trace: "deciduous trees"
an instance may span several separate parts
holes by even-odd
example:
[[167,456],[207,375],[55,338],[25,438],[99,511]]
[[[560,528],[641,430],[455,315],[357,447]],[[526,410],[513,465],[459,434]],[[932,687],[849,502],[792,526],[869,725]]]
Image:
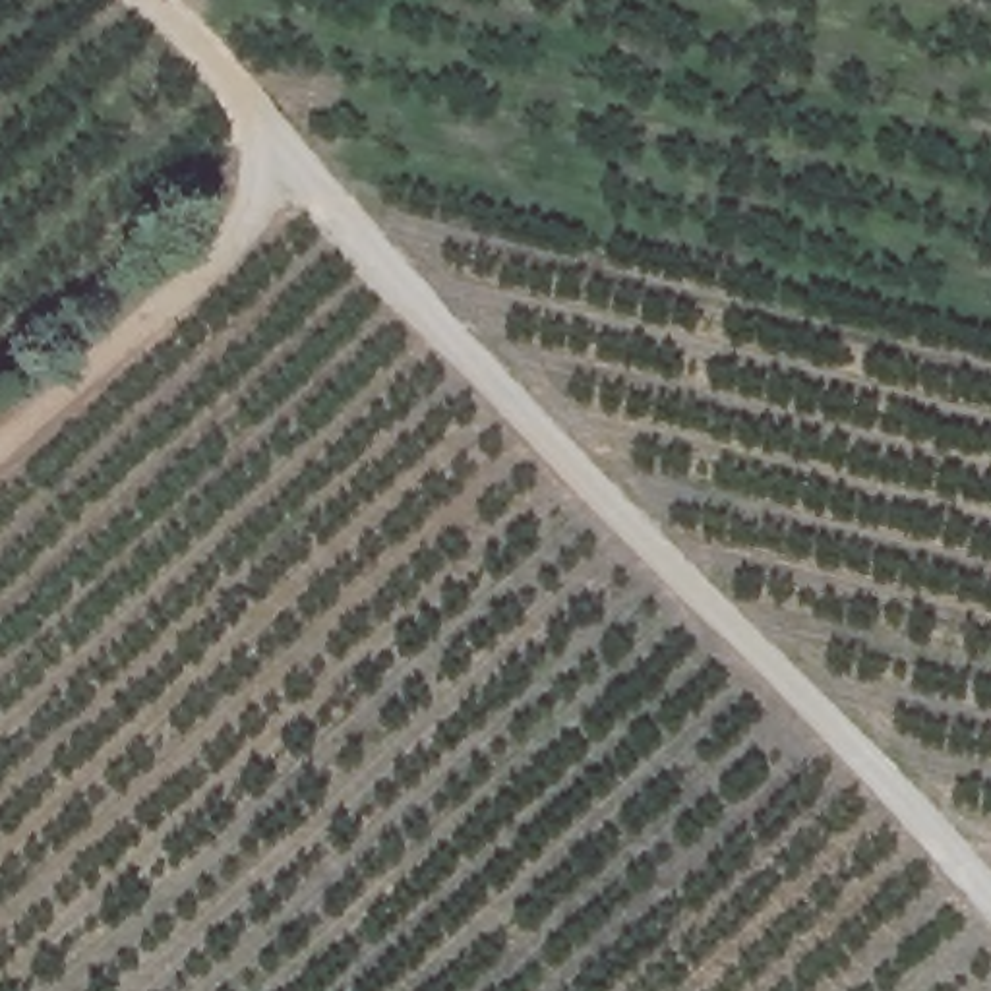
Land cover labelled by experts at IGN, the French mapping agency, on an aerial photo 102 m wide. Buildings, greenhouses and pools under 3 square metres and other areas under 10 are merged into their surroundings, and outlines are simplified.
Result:
[[120,321],[124,310],[143,302],[155,286],[197,267],[221,232],[228,209],[228,116],[217,105],[213,89],[197,77],[197,70],[139,15],[143,0],[0,0],[0,422],[12,406],[27,403],[43,387],[74,383],[85,368],[89,345],[97,345]]
[[732,964],[708,991],[991,991],[991,925],[983,921],[983,914],[968,906],[968,894],[948,875],[941,875],[929,863],[921,844],[898,828],[890,809],[879,797],[867,797],[859,821],[875,836],[856,844],[848,867],[825,875],[809,898],[778,914],[766,925],[766,933],[739,952],[739,964]]
[[480,933],[468,948],[461,948],[414,991],[461,991],[499,960],[507,945],[499,929],[492,929]]
[[337,174],[348,186],[360,209],[379,225],[391,248],[399,248],[406,263],[430,283],[441,306],[461,325],[468,325],[468,333],[623,492],[623,499],[635,503],[646,519],[654,519],[666,530],[666,538],[720,592],[728,592],[739,604],[739,612],[766,635],[766,643],[774,643],[859,728],[859,736],[871,739],[898,766],[898,774],[914,790],[925,778],[941,778],[952,786],[952,809],[991,813],[991,0],[194,0],[205,12],[205,23],[255,74],[341,74],[341,101],[314,108],[306,135],[310,151],[329,166],[329,174]]
[[766,871],[805,828],[813,828],[832,809],[840,790],[859,782],[840,759],[832,759],[813,724],[794,705],[786,705],[689,604],[658,596],[662,585],[639,561],[639,554],[592,515],[592,507],[550,465],[538,461],[534,445],[519,430],[511,430],[492,403],[484,403],[468,387],[461,372],[453,372],[430,348],[426,337],[406,329],[406,321],[395,317],[391,306],[383,306],[375,290],[360,283],[352,263],[317,232],[310,213],[286,221],[275,236],[259,240],[225,283],[217,283],[182,321],[174,321],[174,329],[155,348],[147,348],[135,364],[128,364],[116,379],[105,383],[105,391],[85,406],[85,414],[62,418],[62,426],[27,457],[19,476],[0,480],[0,902],[35,875],[46,852],[58,848],[74,863],[43,902],[35,902],[12,929],[0,929],[0,991],[31,991],[43,979],[62,976],[66,952],[81,937],[89,937],[101,925],[116,925],[132,910],[139,910],[151,886],[163,898],[170,898],[166,910],[155,914],[155,921],[143,929],[143,945],[151,952],[135,956],[132,948],[116,948],[112,960],[89,968],[89,991],[186,991],[190,979],[205,976],[217,960],[225,960],[240,941],[244,925],[255,921],[271,941],[259,948],[259,960],[252,968],[244,968],[217,991],[383,991],[406,968],[414,968],[445,933],[453,933],[472,910],[480,910],[488,890],[511,883],[511,875],[523,863],[530,863],[538,879],[526,894],[515,898],[519,925],[530,929],[542,917],[550,917],[557,921],[557,929],[546,937],[542,952],[534,952],[515,976],[488,991],[608,991],[658,941],[681,948],[689,929],[708,925],[720,914],[720,906],[728,906],[743,890],[747,879]]

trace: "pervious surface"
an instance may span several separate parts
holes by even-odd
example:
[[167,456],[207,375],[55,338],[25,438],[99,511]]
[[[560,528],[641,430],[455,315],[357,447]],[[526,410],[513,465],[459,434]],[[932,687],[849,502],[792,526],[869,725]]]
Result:
[[658,596],[689,604],[786,705],[794,705],[813,724],[832,759],[840,759],[859,782],[867,797],[879,797],[890,809],[898,828],[921,844],[929,863],[941,875],[948,875],[968,894],[968,906],[983,914],[983,921],[991,925],[991,813],[952,809],[952,786],[941,778],[925,778],[914,790],[898,774],[898,766],[871,739],[859,736],[859,728],[774,643],[766,643],[766,635],[739,612],[739,604],[728,592],[720,592],[666,538],[666,530],[654,519],[646,519],[635,503],[623,499],[623,492],[468,333],[468,325],[461,325],[441,306],[430,283],[406,263],[399,248],[391,248],[379,225],[360,209],[348,186],[337,174],[329,174],[329,166],[310,151],[306,135],[298,135],[271,108],[255,74],[205,23],[205,12],[194,0],[143,0],[139,15],[197,70],[197,77],[213,89],[217,105],[228,116],[228,209],[221,232],[197,267],[155,286],[143,302],[124,310],[120,321],[97,345],[89,345],[85,368],[74,383],[43,387],[27,403],[12,406],[0,422],[0,480],[19,476],[27,457],[62,426],[62,418],[85,414],[85,406],[105,391],[105,383],[116,379],[128,364],[135,364],[147,348],[155,348],[174,329],[174,321],[182,321],[217,283],[225,283],[259,240],[275,236],[286,221],[310,213],[317,232],[352,263],[360,283],[375,290],[383,306],[391,306],[395,317],[406,321],[406,329],[426,337],[430,348],[453,372],[461,372],[468,387],[484,403],[492,403],[511,430],[519,430],[534,445],[538,461],[550,465],[592,507],[592,515],[639,554],[639,561],[662,585]]

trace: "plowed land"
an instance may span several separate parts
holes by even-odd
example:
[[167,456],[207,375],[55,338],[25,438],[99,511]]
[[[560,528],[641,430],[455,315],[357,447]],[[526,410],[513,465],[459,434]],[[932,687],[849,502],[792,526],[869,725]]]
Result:
[[557,929],[557,921],[550,917],[542,917],[530,929],[519,925],[515,898],[526,894],[538,879],[530,863],[523,863],[511,875],[511,883],[488,890],[480,910],[472,910],[453,933],[445,933],[414,968],[406,968],[383,991],[414,991],[461,948],[468,948],[480,933],[492,929],[499,929],[507,945],[499,960],[461,991],[488,991],[515,976],[534,952],[542,952],[546,937]]
[[0,902],[0,929],[12,929],[35,902],[43,902],[74,863],[58,848],[46,852],[35,875]]
[[689,929],[681,948],[658,941],[608,991],[708,991],[732,964],[739,964],[739,952],[766,933],[766,925],[778,914],[809,898],[825,875],[848,867],[856,844],[875,836],[859,821],[867,797],[859,782],[840,790],[832,809],[813,828],[805,828],[766,871],[747,879],[743,890],[728,906],[720,906],[720,914],[708,925]]
[[306,135],[314,108],[341,101],[341,74],[255,74],[271,108],[298,135]]
[[225,960],[217,960],[205,976],[190,979],[186,991],[217,991],[244,968],[252,968],[259,960],[259,948],[271,941],[255,921],[244,925],[240,941]]
[[116,925],[101,925],[89,937],[81,937],[66,952],[62,976],[43,979],[31,991],[89,991],[89,968],[112,960],[116,948],[132,948],[135,956],[151,952],[143,945],[143,929],[155,921],[155,914],[166,910],[170,898],[163,898],[151,886],[139,910],[132,910]]

